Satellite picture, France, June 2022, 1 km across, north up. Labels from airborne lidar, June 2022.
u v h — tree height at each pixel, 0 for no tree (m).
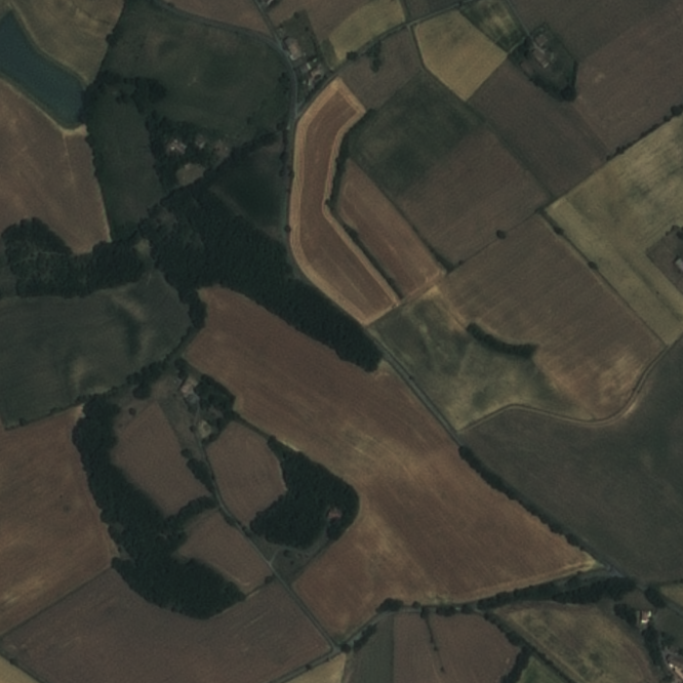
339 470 0
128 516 14
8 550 0
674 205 0
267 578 9
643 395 0
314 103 0
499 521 0
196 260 18
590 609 0
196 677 0
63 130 0
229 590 13
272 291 16
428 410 0
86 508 0
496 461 0
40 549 0
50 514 0
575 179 0
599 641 0
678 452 0
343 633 0
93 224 0
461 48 0
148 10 0
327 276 0
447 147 0
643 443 0
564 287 0
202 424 0
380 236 0
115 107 0
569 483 0
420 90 0
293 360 0
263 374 0
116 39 14
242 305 0
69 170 0
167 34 0
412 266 0
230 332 0
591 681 0
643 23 0
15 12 0
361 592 0
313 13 0
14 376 0
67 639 0
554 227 0
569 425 0
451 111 0
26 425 9
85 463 18
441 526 0
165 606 10
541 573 0
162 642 0
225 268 15
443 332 0
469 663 0
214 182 11
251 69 0
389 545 0
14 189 0
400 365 0
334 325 19
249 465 0
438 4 0
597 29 0
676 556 0
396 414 0
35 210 0
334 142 0
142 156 0
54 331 0
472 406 0
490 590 0
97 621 0
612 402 0
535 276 0
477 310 0
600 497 0
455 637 0
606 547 0
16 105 0
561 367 0
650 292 0
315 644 0
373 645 0
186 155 6
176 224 6
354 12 0
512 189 0
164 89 10
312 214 0
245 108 0
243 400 0
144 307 0
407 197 0
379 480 0
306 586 0
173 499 0
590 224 0
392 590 0
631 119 0
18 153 0
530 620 0
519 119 0
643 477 0
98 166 7
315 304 19
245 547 0
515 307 0
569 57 0
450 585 0
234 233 15
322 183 0
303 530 18
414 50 0
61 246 11
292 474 13
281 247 16
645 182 0
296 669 0
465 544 0
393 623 0
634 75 0
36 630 0
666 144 0
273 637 0
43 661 0
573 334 0
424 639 0
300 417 0
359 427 0
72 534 0
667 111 0
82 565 0
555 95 6
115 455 0
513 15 0
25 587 0
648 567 0
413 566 0
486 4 0
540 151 0
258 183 0
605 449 0
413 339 0
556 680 0
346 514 14
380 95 0
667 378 0
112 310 0
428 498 0
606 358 0
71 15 0
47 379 0
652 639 17
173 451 0
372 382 0
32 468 0
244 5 0
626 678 0
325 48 0
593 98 0
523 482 0
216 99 0
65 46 0
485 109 0
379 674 0
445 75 0
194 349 0
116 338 0
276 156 0
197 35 0
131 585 11
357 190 0
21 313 0
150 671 0
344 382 0
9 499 0
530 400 0
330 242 0
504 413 0
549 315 0
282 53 0
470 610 14
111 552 0
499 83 0
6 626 0
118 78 13
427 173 0
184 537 14
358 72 0
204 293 0
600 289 0
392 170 0
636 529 0
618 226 0
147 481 0
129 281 15
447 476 0
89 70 0
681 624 0
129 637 0
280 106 0
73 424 0
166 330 0
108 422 14
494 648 0
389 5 0
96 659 0
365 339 17
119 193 0
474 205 0
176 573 15
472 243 0
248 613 0
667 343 0
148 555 16
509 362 0
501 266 0
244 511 0
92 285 12
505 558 0
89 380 0
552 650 0
